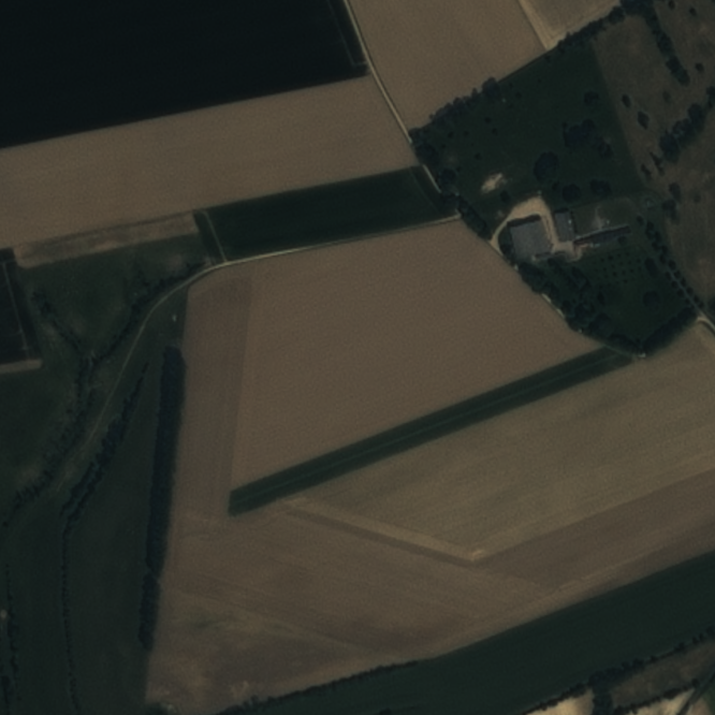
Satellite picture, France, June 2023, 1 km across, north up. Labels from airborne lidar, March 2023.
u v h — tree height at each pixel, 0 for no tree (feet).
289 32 0
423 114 0
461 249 0
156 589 83
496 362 0
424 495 0
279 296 0
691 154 0
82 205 0
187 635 0
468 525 0
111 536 0
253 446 0
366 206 0
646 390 0
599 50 0
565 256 0
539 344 0
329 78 0
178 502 0
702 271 0
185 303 0
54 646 0
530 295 0
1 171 0
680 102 0
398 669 20
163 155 0
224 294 0
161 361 0
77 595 0
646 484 0
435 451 0
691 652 0
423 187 0
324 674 0
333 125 0
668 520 0
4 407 0
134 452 0
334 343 0
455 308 0
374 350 0
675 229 0
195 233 0
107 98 0
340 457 0
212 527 0
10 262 0
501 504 0
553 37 0
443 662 0
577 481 0
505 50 0
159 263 0
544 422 0
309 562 0
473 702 0
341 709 0
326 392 0
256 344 0
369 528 0
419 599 0
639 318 0
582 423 0
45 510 0
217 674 0
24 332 0
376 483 0
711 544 0
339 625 0
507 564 0
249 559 0
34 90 0
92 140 0
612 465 0
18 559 0
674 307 0
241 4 0
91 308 0
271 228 0
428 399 0
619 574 0
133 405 25
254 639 0
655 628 0
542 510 0
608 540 0
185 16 0
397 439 0
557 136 0
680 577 0
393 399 0
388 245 0
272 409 0
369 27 0
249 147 0
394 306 0
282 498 0
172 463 94
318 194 0
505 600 0
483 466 0
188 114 0
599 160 0
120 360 0
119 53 0
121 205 0
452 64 0
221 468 0
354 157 0
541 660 0
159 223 0
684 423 0
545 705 29
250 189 0
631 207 0
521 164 0
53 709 0
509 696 0
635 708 38
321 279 0
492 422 0
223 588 0
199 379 0
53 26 0
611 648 0
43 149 0
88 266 0
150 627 63
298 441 0
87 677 0
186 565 0
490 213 0
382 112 0
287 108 0
